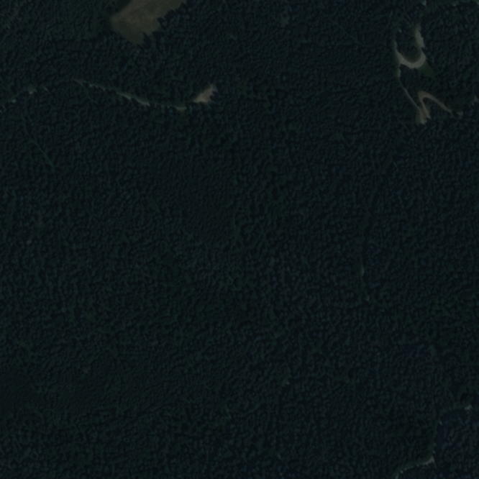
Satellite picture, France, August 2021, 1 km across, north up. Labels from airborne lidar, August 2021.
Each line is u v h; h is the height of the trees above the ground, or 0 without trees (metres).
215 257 20
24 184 21
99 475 24
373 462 17
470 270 22
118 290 23
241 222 24
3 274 8
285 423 27
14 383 14
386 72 25
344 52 17
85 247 24
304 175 28
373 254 18
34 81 25
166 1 0
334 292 23
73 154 20
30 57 26
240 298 16
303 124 27
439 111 18
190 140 15
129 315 24
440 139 23
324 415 18
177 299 17
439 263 16
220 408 22
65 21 25
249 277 26
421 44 0
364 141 25
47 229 6
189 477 29
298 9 26
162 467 8
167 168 28
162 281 15
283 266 26
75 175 19
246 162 31
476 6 23
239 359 24
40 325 16
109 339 13
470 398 13
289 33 30
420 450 17
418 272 12
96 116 27
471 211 22
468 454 12
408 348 7
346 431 14
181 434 8
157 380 20
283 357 16
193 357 26
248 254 14
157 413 22
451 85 23
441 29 20
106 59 29
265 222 21
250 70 18
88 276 19
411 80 19
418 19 27
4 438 36
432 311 15
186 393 24
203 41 29
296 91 26
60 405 20
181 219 26
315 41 21
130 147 21
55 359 25
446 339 13
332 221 23
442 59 28
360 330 14
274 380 28
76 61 25
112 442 14
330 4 12
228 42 20
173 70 27
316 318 14
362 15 21
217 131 17
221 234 24
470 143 22
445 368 15
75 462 16
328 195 25
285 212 7
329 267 22
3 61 29
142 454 23
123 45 33
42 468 26
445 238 6
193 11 24
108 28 8
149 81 26
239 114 23
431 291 18
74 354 24
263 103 21
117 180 28
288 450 20
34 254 12
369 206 23
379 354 25
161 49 25
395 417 17
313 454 16
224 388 6
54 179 20
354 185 31
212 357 26
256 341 32
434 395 25
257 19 22
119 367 22
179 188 30
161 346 20
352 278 28
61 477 27
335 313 27
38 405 19
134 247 20
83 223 19
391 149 24
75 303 16
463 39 25
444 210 7
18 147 22
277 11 18
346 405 18
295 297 31
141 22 0
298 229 18
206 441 25
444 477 14
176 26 29
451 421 17
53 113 28
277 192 21
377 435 21
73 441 20
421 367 27
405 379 26
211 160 25
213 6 29
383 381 23
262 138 26
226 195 28
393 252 22
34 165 12
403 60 0
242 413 24
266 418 27
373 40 23
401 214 28
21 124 22
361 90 20
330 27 23
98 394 18
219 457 25
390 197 17
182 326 16
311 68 29
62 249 6
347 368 23
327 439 20
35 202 15
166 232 22
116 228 24
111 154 25
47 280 27
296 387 29
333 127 29
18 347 20
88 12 17
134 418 20
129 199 26
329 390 22
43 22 28
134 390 21
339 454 24
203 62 22
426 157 20
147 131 26
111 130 29
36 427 10
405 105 24
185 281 18
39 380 17
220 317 19
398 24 20
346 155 21
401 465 9
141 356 20
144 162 28
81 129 25
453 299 11
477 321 15
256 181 29
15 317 17
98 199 15
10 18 28
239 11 22
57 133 23
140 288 14
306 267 14
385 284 25
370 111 21
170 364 18
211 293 21
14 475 24
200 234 24
